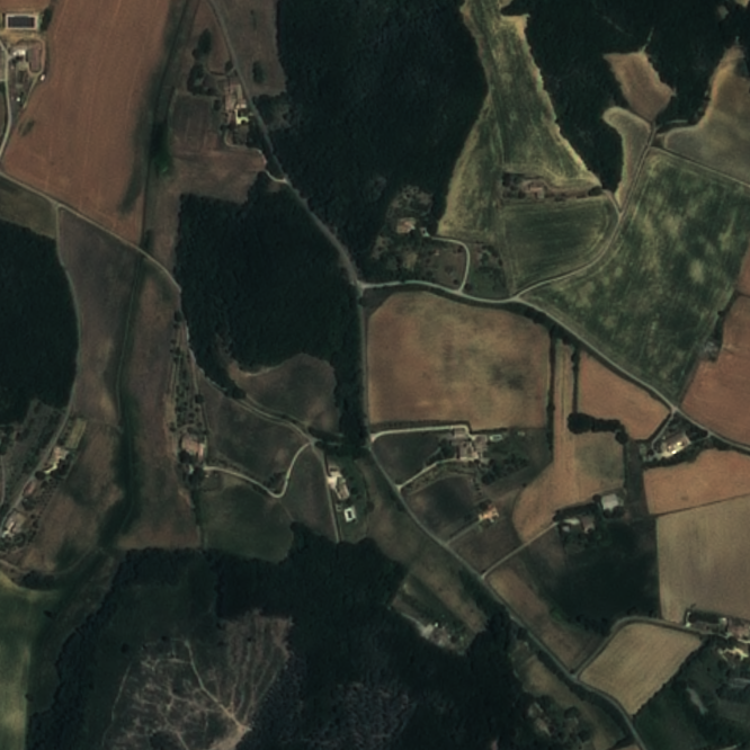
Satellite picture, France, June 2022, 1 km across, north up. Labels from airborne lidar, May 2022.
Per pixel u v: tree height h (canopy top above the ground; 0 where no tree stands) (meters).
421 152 8
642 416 0
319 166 12
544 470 0
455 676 22
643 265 0
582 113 11
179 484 0
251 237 16
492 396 0
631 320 0
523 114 0
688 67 8
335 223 16
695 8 19
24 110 0
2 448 10
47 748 21
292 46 14
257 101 9
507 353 0
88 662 11
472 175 0
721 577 0
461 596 0
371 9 6
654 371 0
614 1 9
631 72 0
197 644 0
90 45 0
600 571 0
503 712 22
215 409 0
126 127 0
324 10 14
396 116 10
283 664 0
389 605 9
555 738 8
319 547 12
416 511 0
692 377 0
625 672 0
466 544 0
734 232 0
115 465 0
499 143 0
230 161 0
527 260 0
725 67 0
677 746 0
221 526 0
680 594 0
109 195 0
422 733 14
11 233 13
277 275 12
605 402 0
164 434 0
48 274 12
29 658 0
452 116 7
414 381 0
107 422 0
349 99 7
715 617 11
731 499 0
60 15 0
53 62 0
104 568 0
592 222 0
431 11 9
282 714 11
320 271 10
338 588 17
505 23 0
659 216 0
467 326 0
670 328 0
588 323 0
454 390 0
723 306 0
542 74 9
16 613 0
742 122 0
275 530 0
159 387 0
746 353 0
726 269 0
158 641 0
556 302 0
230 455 0
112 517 0
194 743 0
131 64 0
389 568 10
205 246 13
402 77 10
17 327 17
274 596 19
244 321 11
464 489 0
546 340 0
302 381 0
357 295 12
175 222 0
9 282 17
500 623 17
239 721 0
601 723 0
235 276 10
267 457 0
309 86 10
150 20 0
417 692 19
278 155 13
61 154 0
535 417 0
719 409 0
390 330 0
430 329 0
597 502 8
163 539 0
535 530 0
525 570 0
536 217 0
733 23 13
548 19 11
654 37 8
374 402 0
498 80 0
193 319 8
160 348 0
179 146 0
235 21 0
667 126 7
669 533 0
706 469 0
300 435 0
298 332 15
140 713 0
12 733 0
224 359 0
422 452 0
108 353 0
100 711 0
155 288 0
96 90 0
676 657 0
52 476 8
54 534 0
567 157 0
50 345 15
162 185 0
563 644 0
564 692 0
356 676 15
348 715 11
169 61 0
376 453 0
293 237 10
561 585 0
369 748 14
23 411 8
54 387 15
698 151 0
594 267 0
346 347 13
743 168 0
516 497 0
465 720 13
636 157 0
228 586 22
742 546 0
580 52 10
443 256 0
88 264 0
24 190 0
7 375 13
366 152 11
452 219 0
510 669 9
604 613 0
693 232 0
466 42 8
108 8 0
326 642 14
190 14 0
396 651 20
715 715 8
